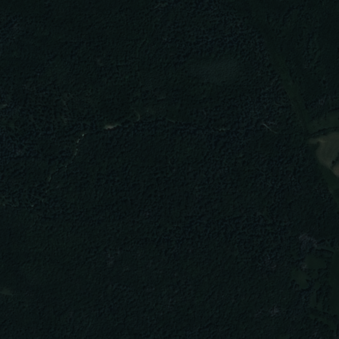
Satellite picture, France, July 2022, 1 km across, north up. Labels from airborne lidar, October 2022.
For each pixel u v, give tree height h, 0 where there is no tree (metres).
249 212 19
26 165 16
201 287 13
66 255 12
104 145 16
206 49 13
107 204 16
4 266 12
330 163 0
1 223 12
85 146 11
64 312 16
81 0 13
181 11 12
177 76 7
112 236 14
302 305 26
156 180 9
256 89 15
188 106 8
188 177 15
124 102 6
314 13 8
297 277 0
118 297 14
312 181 16
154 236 28
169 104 7
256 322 13
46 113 19
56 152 15
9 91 11
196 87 12
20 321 9
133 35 9
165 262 16
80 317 15
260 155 21
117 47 7
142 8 8
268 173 23
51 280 9
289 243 13
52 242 15
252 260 17
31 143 12
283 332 10
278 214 20
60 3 16
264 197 15
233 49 17
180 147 12
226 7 7
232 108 8
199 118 11
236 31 12
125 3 17
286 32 6
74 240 11
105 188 13
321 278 11
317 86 9
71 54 7
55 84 14
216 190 12
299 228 17
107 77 16
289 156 9
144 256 8
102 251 24
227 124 18
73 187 15
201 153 8
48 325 11
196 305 9
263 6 10
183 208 14
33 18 11
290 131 11
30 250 12
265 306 18
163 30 13
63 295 8
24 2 6
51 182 10
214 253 16
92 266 16
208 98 10
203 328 17
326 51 7
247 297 17
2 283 8
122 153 16
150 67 18
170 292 11
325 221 24
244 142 14
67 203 16
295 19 8
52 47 13
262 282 14
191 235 24
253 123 24
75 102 18
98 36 7
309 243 22
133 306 16
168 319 12
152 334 13
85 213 10
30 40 14
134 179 15
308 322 21
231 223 20
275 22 20
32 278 6
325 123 0
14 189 13
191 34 22
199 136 28
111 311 21
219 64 7
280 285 10
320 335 16
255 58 10
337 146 0
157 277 7
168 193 18
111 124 12
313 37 18
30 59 14
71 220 19
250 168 14
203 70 6
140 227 11
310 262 0
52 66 15
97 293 10
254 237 20
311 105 18
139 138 14
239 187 17
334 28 8
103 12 12
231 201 15
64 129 7
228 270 12
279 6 7
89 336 14
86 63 17
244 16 7
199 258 9
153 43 11
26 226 10
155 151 12
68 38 20
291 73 11
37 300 10
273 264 24
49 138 21
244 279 14
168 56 10
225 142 8
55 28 13
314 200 21
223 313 17
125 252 14
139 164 13
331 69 7
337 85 6
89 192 16
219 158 15
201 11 18
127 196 13
